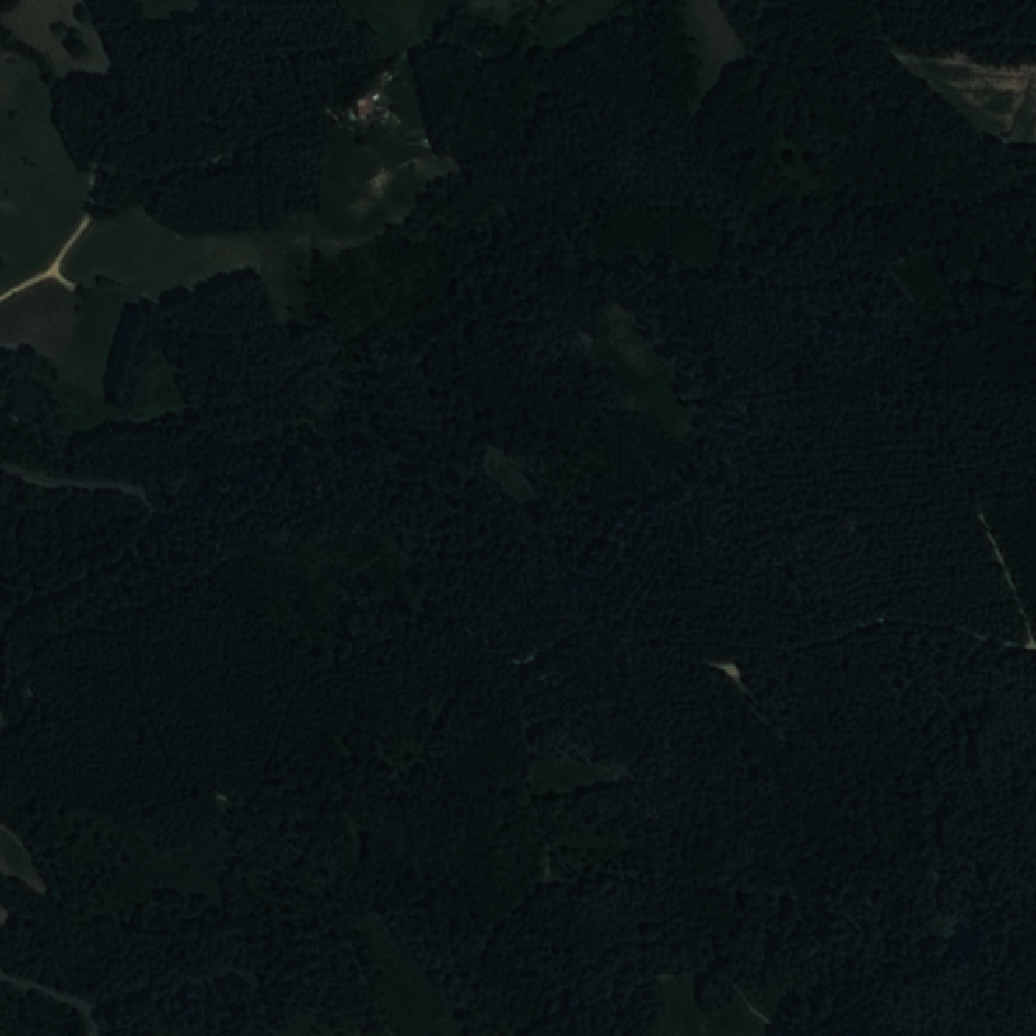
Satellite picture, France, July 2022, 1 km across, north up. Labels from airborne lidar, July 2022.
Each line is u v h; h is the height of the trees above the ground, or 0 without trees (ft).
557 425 80
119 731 73
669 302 109
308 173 84
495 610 85
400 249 23
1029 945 118
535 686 93
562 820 61
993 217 104
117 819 37
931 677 101
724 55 0
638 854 46
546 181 77
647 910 104
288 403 84
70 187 0
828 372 53
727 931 68
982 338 91
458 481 103
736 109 46
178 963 102
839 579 98
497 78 41
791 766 75
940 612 81
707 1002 98
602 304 78
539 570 79
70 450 108
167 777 74
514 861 58
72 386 0
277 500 105
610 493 28
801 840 49
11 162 0
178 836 91
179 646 77
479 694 55
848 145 56
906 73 66
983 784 96
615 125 71
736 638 77
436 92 62
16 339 0
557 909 58
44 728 67
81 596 80
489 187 95
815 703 62
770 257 59
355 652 54
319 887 25
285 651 67
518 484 0
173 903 110
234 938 73
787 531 87
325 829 67
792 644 73
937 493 74
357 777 74
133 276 0
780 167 20
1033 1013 102
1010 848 107
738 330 89
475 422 64
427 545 107
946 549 63
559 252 80
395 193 0
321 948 91
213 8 111
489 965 70
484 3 0
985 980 129
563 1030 70
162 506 63
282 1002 115
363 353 30
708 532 85
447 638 64
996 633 87
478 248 59
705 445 47
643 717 99
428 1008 0
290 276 0
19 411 69
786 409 67
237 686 65
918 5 65
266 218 113
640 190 63
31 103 0
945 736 101
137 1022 79
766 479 78
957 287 78
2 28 35
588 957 67
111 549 93
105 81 62
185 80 91
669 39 75
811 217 63
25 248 0
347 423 70
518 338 70
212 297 94
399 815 80
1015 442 103
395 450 61
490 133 66
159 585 85
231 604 64
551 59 35
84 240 0
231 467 63
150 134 102
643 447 22
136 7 56
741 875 78
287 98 96
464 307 66
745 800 81
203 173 69
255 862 79
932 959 105
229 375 58
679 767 100
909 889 95
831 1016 88
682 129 75
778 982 122
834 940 145
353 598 90
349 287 19
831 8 99
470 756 67
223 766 64
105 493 48
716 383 71
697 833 83
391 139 0
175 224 86
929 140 101
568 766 0
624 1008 66
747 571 75
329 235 0
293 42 100
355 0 0
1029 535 28
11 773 72
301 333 118
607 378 79
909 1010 114
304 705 64
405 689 70
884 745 76
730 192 75
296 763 78
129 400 121
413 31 0
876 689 75
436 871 66
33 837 43
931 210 76
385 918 102
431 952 113
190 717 70
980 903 112
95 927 56
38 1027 79
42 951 49
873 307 115
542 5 45
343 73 48
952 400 113
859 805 117
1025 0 80
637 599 91
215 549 99
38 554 92
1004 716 127
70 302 0
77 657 70
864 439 83
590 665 77
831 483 77
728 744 89
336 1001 105
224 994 92
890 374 76
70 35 39
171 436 108
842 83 72
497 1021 51
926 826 91
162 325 64
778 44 65
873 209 65
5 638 62
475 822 74
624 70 85
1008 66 86
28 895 78
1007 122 0
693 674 107
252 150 65
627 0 26
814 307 66
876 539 70
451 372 60
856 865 94
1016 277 94
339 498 94
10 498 63
